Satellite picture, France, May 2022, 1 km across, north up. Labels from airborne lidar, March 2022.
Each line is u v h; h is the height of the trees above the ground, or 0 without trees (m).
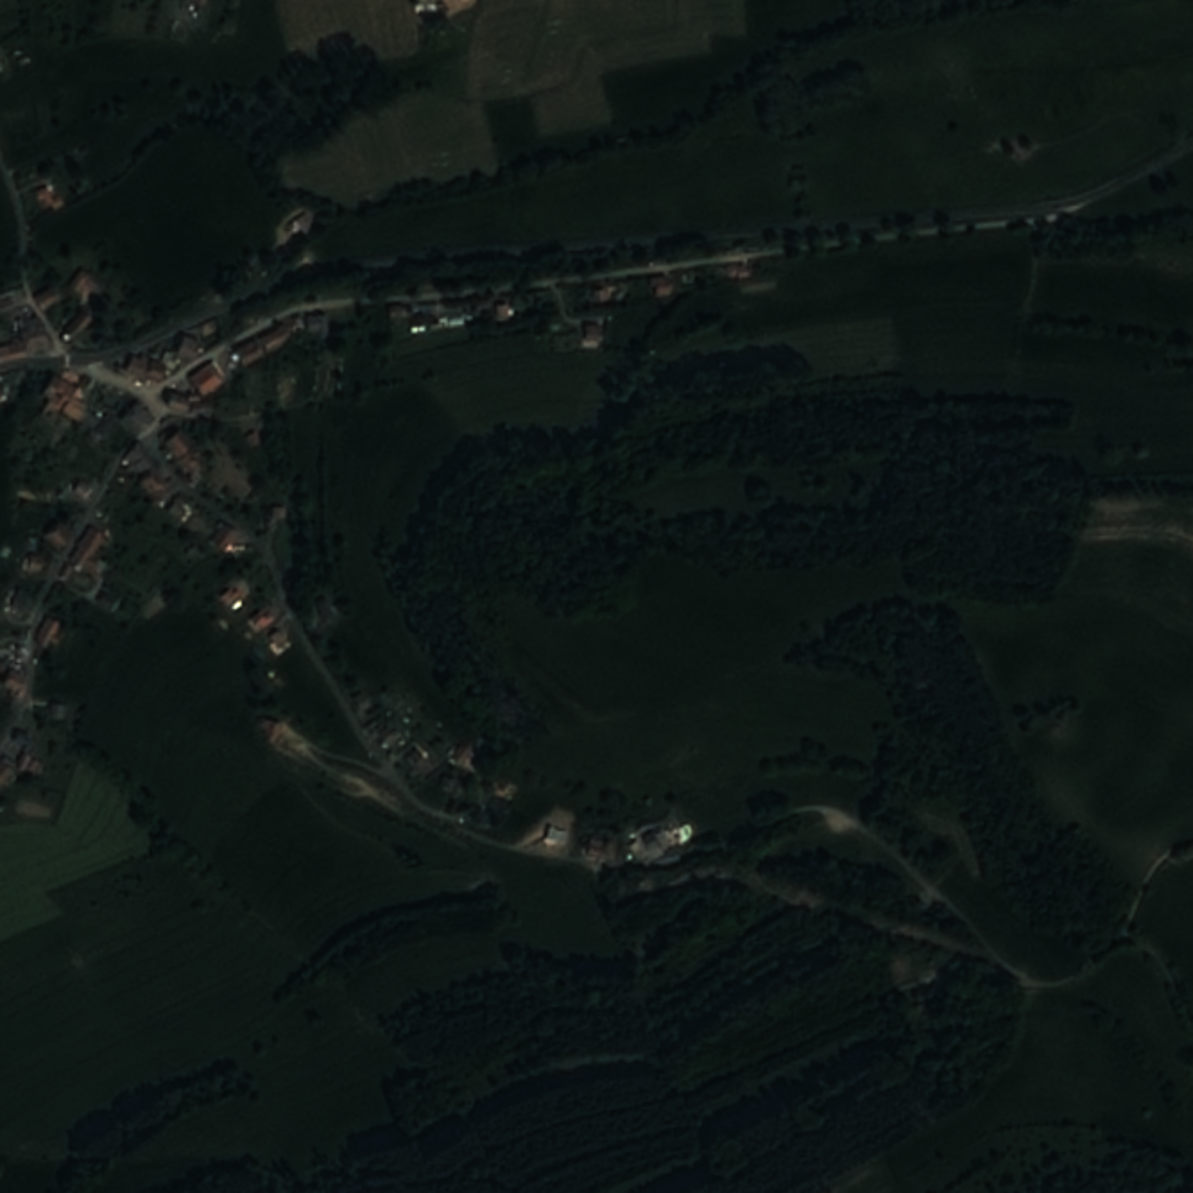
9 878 0
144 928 0
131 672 0
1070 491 28
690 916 17
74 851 0
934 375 0
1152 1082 0
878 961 7
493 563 19
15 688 0
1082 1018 0
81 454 0
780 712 0
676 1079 14
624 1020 23
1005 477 32
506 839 0
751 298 0
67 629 12
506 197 0
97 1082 0
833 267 0
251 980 0
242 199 0
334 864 0
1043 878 15
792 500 0
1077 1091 0
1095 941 7
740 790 0
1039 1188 8
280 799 0
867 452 23
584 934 0
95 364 0
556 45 0
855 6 7
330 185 0
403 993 0
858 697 0
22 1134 0
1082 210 0
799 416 16
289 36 0
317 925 0
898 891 17
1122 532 0
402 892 0
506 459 26
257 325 0
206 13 0
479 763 11
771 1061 19
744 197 0
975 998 20
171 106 0
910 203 0
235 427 0
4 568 0
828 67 0
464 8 0
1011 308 0
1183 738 0
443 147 0
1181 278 0
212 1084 14
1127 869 0
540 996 12
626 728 0
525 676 0
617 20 0
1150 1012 0
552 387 0
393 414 0
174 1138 0
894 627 12
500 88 0
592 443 15
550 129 0
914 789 16
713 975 12
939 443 23
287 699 0
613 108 0
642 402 22
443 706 0
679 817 0
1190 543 0
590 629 0
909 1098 23
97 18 12
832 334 0
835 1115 24
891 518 23
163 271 0
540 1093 22
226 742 0
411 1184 28
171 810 0
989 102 0
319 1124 0
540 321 8
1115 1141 9
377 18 0
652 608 0
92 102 0
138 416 0
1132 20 0
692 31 0
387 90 29
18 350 0
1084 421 0
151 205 0
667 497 0
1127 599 0
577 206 0
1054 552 19
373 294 17
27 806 0
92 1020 0
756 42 0
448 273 11
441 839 0
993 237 0
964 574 13
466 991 7
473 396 0
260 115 15
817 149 0
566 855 0
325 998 0
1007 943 0
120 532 0
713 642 0
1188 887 0
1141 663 0
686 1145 25
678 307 6
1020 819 12
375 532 0
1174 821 0
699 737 0
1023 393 0
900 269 0
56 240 0
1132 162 0
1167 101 0
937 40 0
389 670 0
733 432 16
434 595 25
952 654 23
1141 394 0
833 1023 13
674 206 0
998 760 8
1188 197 0
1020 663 0
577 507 24
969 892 0
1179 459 0
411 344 0
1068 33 0
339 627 0
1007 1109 0
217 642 0
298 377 0
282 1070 0
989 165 0
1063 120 0
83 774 0
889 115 0
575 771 0
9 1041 0
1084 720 0
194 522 0
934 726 15
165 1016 0
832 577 0
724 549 15
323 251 0
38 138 0
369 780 0
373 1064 0
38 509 0
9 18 0
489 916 16
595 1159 23
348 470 0
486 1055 18
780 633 0
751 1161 25
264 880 0
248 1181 21
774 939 11
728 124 0
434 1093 17
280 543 0
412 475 0
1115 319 0
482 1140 22
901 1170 0
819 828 0
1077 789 0
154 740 0
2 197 0
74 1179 18
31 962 0
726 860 10
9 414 9
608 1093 23
